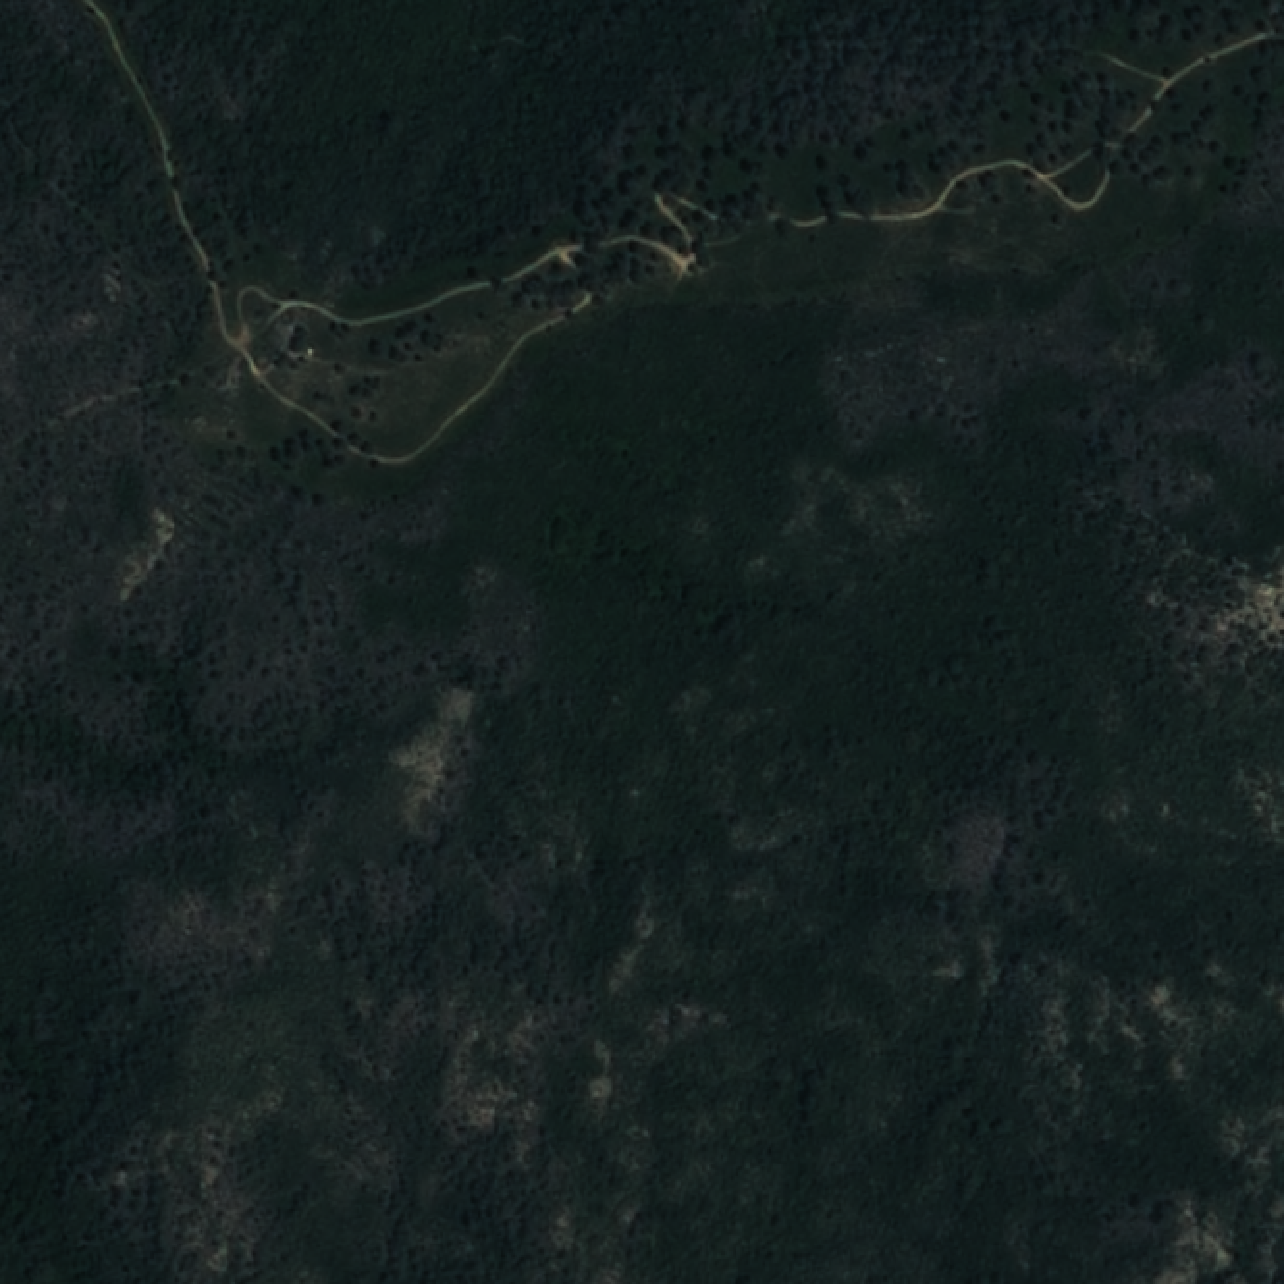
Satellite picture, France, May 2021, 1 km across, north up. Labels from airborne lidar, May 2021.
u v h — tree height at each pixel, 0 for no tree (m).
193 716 19
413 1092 16
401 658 17
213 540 22
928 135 16
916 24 9
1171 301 6
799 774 7
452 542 6
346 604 6
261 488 19
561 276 16
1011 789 23
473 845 7
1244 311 6
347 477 0
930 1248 9
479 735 8
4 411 18
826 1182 6
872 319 6
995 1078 5
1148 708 8
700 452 8
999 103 17
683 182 22
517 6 9
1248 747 8
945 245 0
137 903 10
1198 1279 7
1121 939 8
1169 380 7
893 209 0
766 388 7
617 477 7
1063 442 7
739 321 6
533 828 7
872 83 6
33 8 14
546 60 13
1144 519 8
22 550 11
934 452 7
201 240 11
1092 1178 6
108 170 14
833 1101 26
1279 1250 6
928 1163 9
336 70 7
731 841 8
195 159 11
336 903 16
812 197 0
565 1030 15
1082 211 0
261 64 20
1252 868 5
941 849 6
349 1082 15
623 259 15
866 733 5
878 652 9
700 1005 6
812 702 7
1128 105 15
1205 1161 6
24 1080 21
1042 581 7
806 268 0
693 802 10
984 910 5
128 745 13
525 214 9
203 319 16
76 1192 11
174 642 9
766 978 6
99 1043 7
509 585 6
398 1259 17
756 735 14
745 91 7
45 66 15
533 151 14
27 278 9
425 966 16
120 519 9
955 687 17
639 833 9
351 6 10
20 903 8
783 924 6
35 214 16
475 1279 13
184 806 11
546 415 6
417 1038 14
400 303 0
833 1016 7
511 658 13
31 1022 12
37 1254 16
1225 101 0
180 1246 10
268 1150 11
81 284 12
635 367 5
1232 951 10
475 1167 13
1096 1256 6
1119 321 6
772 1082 10
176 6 13
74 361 15
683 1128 8
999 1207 6
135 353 14
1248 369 10
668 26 10
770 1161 7
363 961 18
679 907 11
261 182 14
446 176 9
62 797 15
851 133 19
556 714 5
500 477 6
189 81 11
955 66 21
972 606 7
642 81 11
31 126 15
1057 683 6
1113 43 0
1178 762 6
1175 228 0
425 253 8
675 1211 6
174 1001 16
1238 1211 6
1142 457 14
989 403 7
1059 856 16
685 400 8
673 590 17
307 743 11
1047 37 15
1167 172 18
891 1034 11
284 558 17
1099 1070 8
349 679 19
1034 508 7
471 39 11
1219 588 11
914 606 6
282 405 0
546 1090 13
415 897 16
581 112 9
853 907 6
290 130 12
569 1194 6
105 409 13
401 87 16
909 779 10
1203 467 6
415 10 8
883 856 20
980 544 7
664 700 6
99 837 9
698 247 13
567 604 5
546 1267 12
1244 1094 8
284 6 9
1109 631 6
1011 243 0
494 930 13
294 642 16
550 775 8
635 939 9
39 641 17
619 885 9
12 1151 13
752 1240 9
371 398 10
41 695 10
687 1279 6
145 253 13
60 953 8
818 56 17
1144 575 8
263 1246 19
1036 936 6
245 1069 6
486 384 0
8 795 8
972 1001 7
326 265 5
